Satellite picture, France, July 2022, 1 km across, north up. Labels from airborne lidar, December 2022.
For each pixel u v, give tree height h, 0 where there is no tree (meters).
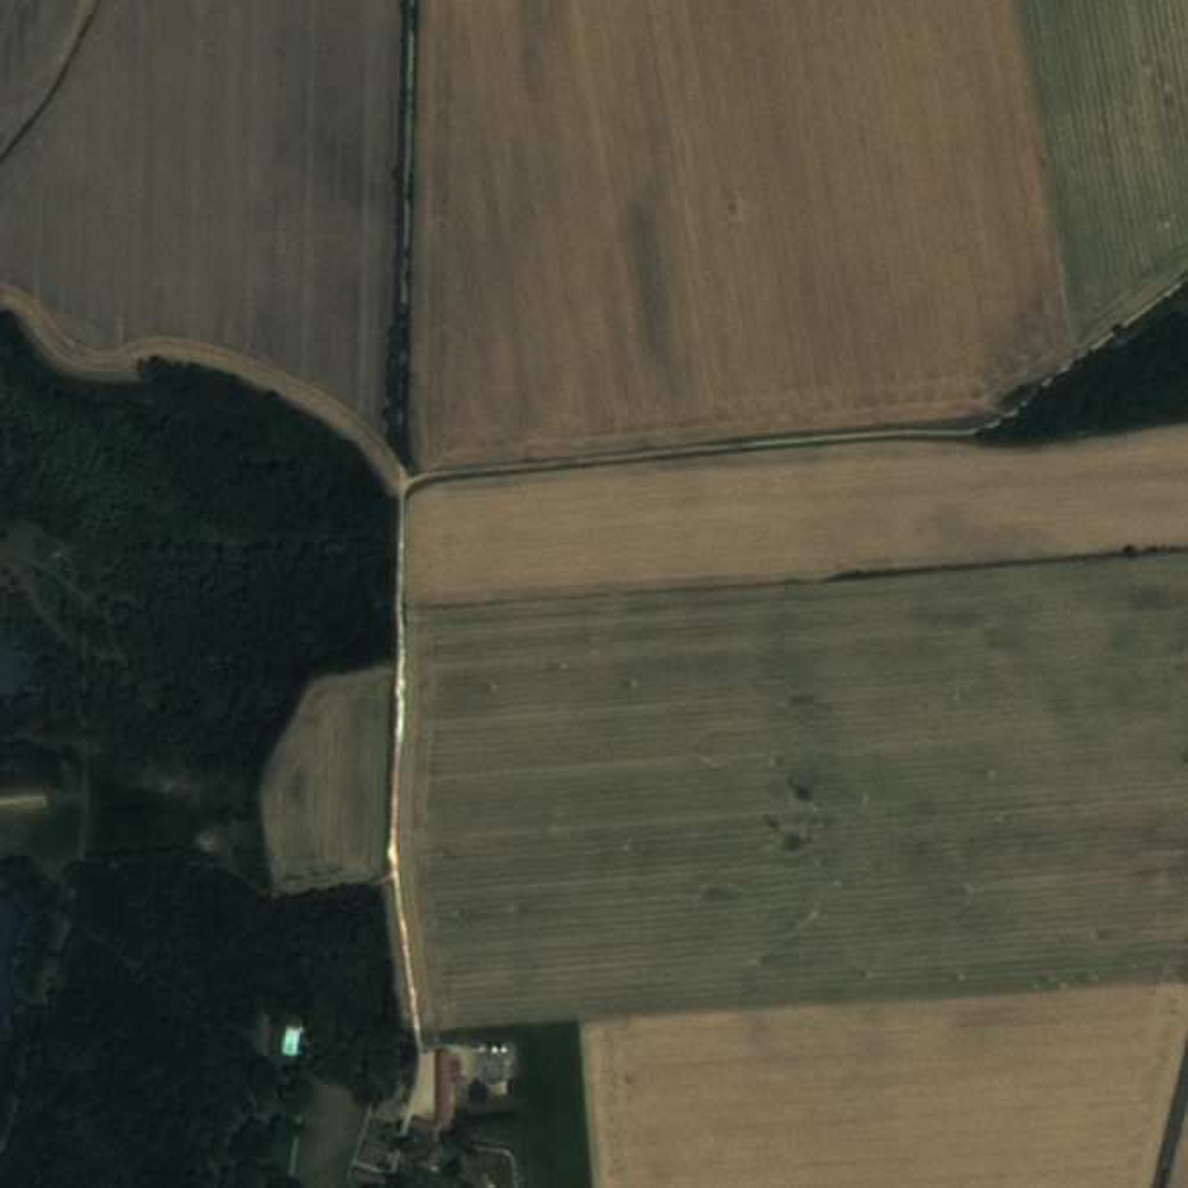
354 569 22
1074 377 8
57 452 21
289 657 28
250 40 0
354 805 0
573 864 0
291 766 0
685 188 0
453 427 0
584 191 0
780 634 0
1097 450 0
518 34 0
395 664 0
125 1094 16
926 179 0
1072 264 0
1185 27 0
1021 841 0
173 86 0
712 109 0
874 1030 0
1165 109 0
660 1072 0
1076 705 0
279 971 23
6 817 0
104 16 0
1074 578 0
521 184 0
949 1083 0
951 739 0
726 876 0
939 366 0
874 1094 0
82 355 0
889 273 0
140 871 10
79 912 17
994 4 0
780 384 0
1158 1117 0
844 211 0
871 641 0
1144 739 0
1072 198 0
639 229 0
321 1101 0
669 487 0
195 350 0
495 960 0
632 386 0
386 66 0
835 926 0
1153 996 0
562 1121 0
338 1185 0
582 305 0
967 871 0
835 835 0
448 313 0
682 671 0
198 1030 16
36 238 0
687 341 0
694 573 0
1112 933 0
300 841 0
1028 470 0
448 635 0
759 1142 0
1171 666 0
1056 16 0
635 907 0
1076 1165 0
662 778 0
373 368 0
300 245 0
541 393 0
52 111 0
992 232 0
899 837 0
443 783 0
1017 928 0
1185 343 11
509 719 0
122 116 0
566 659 0
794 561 0
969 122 0
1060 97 0
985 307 0
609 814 0
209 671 27
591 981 0
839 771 0
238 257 0
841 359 0
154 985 19
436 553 0
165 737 19
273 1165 6
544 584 0
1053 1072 0
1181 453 0
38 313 0
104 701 25
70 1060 21
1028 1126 0
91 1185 10
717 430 0
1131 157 0
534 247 0
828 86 0
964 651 0
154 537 10
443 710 0
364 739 0
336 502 13
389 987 13
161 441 20
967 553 0
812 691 0
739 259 0
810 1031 0
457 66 0
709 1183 0
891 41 0
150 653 25
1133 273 0
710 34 0
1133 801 0
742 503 0
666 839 0
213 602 25
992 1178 0
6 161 0
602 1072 0
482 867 0
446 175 0
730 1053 0
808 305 0
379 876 0
